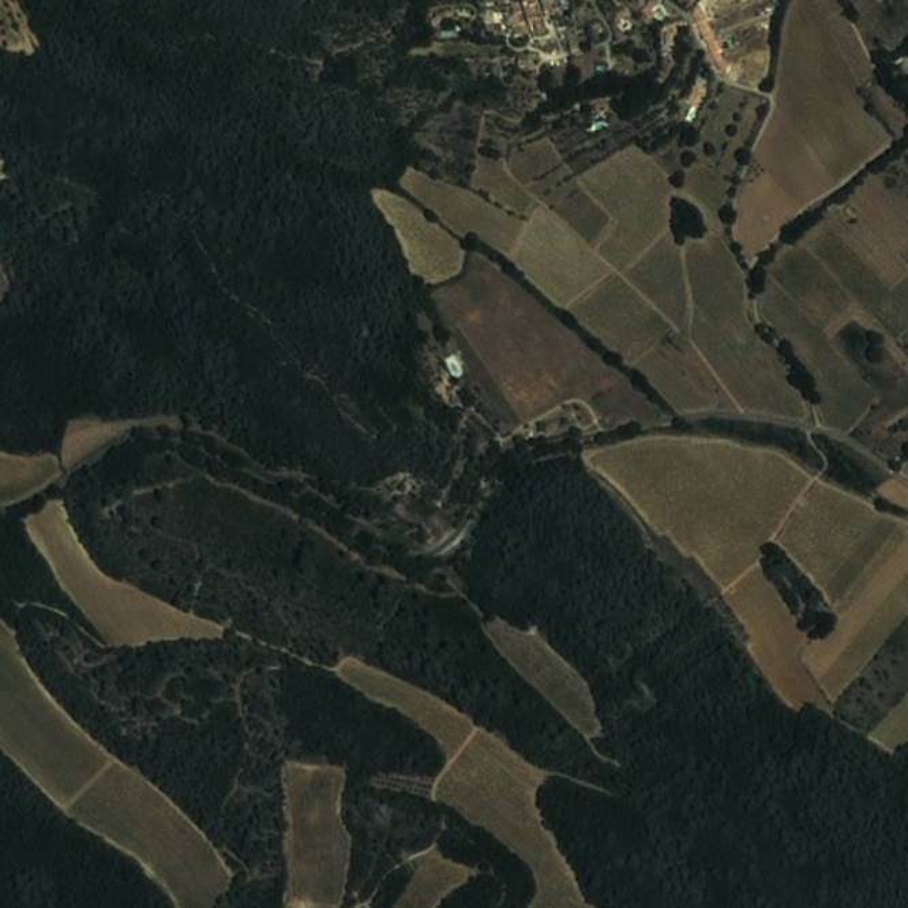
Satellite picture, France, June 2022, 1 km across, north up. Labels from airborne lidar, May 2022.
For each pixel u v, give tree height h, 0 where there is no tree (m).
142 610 0
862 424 0
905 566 0
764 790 21
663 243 0
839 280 0
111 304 15
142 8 10
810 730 12
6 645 0
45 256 18
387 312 20
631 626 20
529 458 15
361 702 10
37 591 6
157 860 0
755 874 14
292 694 7
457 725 0
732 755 18
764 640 0
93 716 14
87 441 0
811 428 0
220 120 16
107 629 0
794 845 17
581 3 0
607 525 18
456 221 0
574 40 0
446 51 0
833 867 10
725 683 13
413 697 0
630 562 20
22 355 10
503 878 7
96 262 10
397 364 23
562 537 17
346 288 10
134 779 0
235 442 16
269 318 6
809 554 0
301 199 17
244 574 7
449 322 0
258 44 15
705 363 0
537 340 0
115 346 20
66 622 13
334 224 13
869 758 23
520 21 0
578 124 8
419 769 16
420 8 12
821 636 9
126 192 12
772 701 12
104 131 8
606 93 16
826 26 0
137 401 16
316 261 10
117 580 5
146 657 16
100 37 11
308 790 0
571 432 9
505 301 0
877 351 16
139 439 12
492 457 21
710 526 0
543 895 0
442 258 0
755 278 12
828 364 0
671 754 11
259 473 0
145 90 15
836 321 0
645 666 11
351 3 15
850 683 0
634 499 0
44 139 6
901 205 0
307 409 11
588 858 8
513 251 0
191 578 12
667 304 0
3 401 6
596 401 0
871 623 0
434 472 12
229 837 13
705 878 15
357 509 20
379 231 17
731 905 11
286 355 7
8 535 12
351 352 16
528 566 15
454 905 7
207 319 11
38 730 0
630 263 0
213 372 18
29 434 6
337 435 8
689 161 14
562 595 8
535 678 0
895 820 17
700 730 13
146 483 15
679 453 0
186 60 9
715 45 0
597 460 0
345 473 6
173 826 0
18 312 17
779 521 0
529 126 13
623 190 0
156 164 10
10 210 12
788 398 0
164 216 17
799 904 7
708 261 0
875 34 0
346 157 11
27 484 0
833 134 0
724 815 10
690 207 15
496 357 0
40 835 10
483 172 0
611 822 10
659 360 0
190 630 0
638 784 12
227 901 15
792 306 0
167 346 12
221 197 13
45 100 5
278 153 16
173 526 0
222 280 7
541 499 17
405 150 15
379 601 20
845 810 18
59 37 16
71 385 14
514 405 0
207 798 10
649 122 7
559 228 0
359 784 12
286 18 14
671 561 0
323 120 12
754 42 0
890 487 0
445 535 0
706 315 0
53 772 0
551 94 8
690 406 0
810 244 0
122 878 9
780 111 0
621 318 0
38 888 21
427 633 18
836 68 0
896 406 0
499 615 8
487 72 7
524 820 0
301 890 0
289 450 13
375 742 6
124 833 0
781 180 0
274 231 20
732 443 0
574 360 0
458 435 19
